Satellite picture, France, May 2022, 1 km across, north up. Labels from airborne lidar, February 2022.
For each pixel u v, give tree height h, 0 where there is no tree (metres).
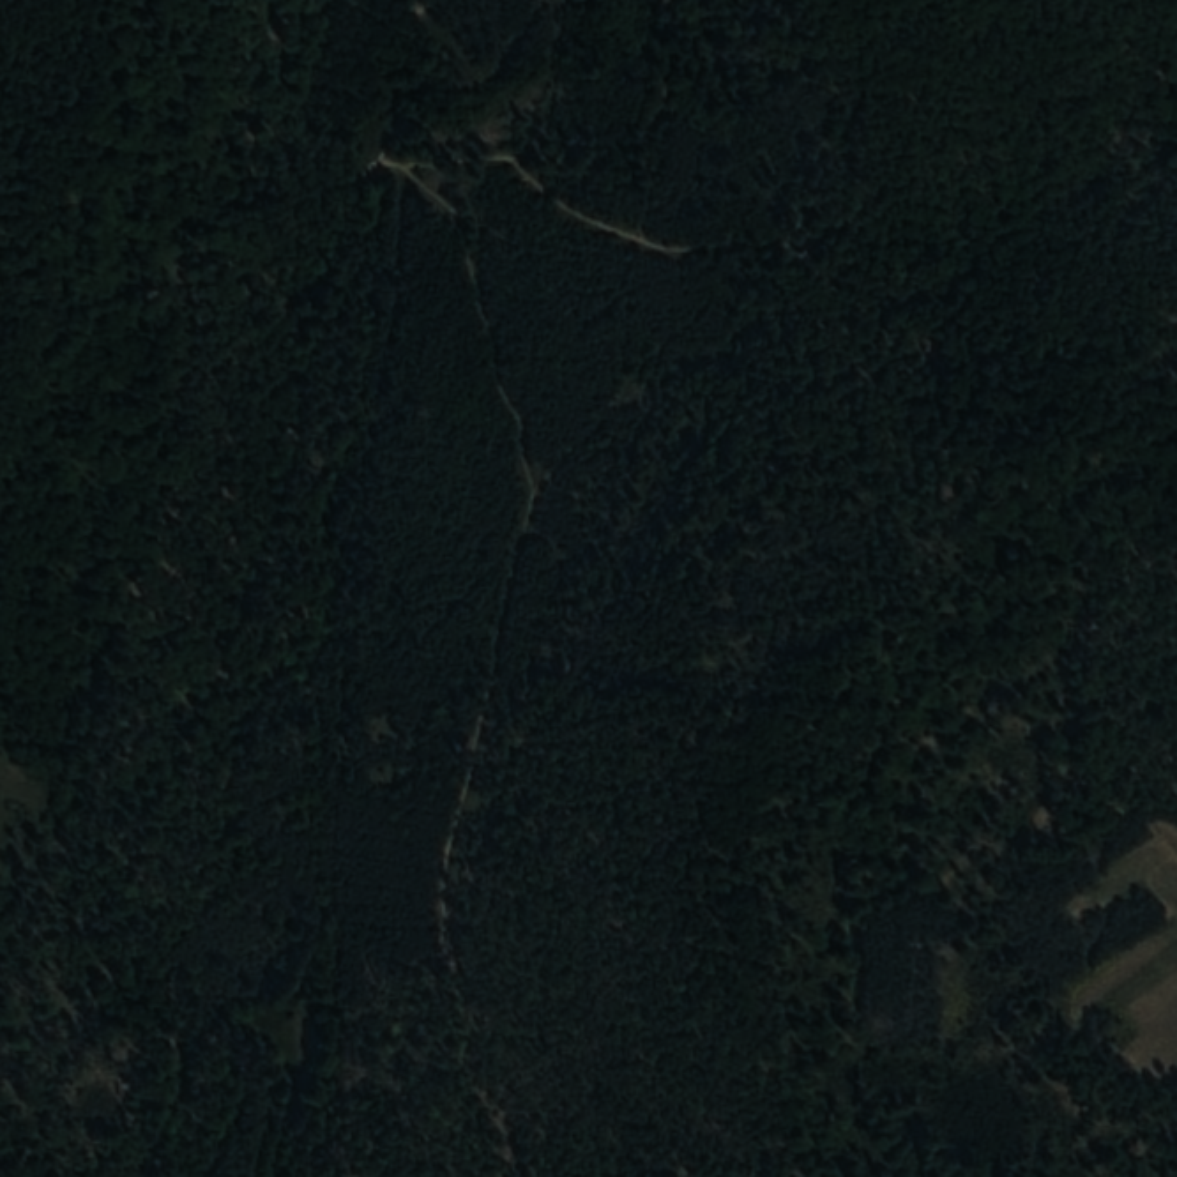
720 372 32
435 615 17
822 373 36
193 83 39
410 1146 30
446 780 12
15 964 47
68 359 29
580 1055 25
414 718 12
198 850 29
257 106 37
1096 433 35
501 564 13
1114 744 34
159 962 32
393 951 13
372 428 12
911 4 33
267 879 11
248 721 42
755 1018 23
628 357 13
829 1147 33
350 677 15
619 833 30
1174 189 33
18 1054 21
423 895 11
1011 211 27
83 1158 25
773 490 22
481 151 31
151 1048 33
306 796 18
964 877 31
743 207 19
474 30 21
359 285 28
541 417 14
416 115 16
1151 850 0
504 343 22
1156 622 28
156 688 35
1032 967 14
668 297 16
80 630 34
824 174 35
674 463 26
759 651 11
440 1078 30
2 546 28
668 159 18
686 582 14
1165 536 28
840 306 31
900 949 25
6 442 30
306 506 35
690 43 7
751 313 10
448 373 17
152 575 37
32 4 26
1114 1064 17
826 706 33
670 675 10
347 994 11
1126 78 29
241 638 33
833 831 37
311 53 21
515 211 15
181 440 37
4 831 0
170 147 36
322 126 7
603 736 29
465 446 14
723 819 25
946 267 33
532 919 28
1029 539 39
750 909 32
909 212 32
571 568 10
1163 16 33
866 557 19
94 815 39
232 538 38
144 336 29
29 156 30
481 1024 27
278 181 39
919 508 28
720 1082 23
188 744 30
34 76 23
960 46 25
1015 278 31
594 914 23
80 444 34
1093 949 12
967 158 24
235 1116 29
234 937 17
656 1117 29
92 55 30
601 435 8
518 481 12
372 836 14
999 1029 34
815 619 7
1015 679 8
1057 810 37
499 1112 28
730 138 18
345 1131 30
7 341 27
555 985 26
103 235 33
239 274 38
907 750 12
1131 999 0
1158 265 29
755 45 31
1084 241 29
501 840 25
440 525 18
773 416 30
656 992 23
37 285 29
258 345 38
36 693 34
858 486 29
